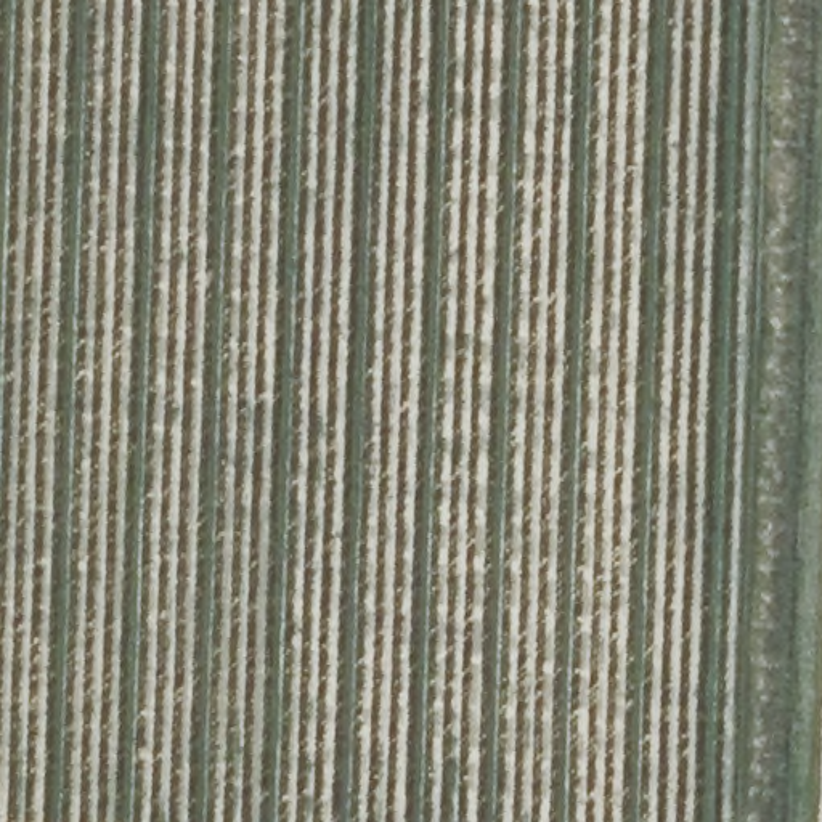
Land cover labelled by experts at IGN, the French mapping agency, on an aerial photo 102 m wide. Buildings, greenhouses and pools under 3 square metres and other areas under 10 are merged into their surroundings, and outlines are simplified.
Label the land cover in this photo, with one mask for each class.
<instances>
[{"label":"vineyard","instance_id":"1","mask_svg":"<svg viewBox=\"0 0 822 822\"><path fill-rule=\"evenodd\" d=\"M0 822H822V0H0Z\"/></svg>","mask_w":822,"mask_h":822}]
</instances>
